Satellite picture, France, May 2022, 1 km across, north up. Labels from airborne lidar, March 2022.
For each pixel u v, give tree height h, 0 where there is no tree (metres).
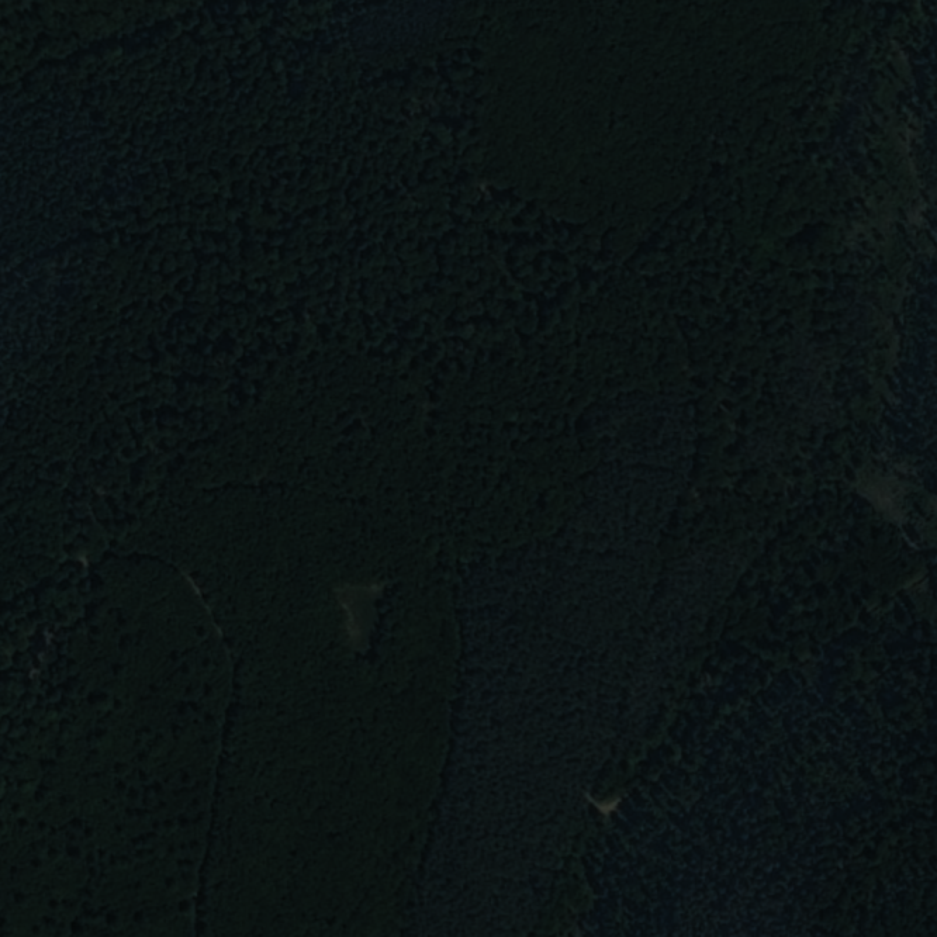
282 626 14
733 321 33
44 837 16
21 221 20
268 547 17
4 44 35
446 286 33
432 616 16
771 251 32
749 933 18
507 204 31
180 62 33
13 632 31
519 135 17
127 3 27
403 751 19
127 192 28
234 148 34
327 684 17
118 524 31
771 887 33
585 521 29
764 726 30
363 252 29
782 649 18
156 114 30
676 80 22
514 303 36
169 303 23
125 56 31
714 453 27
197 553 19
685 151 25
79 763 16
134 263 30
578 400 24
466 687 23
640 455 27
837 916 30
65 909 12
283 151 31
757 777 11
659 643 27
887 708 26
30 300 30
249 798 12
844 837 15
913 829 36
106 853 16
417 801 20
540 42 20
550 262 33
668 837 29
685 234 30
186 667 24
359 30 30
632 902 7
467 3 26
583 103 19
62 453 28
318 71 27
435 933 29
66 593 28
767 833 30
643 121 22
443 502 21
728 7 27
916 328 10
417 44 22
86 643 15
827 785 6
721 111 29
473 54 33
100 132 31
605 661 30
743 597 32
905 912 28
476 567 25
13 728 31
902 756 26
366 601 0
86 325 24
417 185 29
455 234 32
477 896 34
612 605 30
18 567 27
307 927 20
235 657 10
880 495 0
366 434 19
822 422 21
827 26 25
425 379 15
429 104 37
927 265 7
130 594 19
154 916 17
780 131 32
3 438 26
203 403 34
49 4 23
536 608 24
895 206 0
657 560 19
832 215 33
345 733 17
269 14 22
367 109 27
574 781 30
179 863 29
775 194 33
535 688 30
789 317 27
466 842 27
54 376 26
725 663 32
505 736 28
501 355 25
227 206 36
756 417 32
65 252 27
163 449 32
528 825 33
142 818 25
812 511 21
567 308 36
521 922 30
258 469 22
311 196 31
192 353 33
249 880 20
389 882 15
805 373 32
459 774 29
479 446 25
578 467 23
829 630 24
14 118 25
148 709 17
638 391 28
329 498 16
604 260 29
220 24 30
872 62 24
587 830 20
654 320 27
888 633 10
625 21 27
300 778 16
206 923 18
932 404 33
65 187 20
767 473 23
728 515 28
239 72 36
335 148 29
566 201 19
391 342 27
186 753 13
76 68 28
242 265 31
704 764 5
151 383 36
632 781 16
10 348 25
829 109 26
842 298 33
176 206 33
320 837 17
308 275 34
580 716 26
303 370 23
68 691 29
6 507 24
